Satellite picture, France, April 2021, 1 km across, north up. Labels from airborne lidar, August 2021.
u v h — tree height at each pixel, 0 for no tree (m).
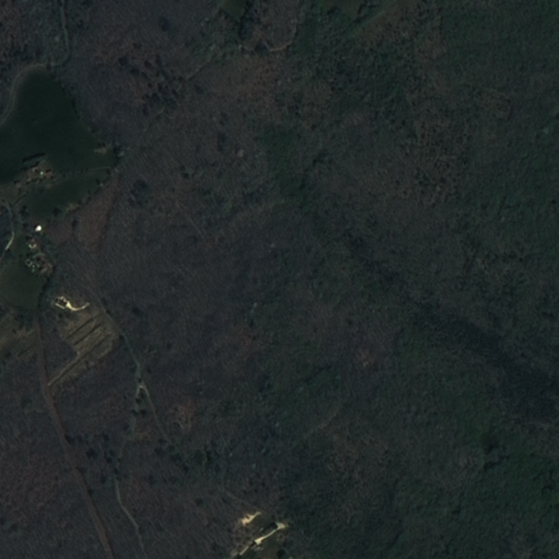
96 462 22
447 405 20
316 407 15
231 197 19
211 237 9
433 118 7
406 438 14
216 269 17
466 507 23
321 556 15
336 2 0
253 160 18
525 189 16
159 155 13
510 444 19
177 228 14
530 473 19
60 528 8
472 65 13
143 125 13
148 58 6
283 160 18
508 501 20
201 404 14
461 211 17
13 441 11
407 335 18
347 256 10
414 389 13
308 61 11
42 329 11
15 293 0
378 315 14
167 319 13
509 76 11
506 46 20
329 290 19
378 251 11
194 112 13
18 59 12
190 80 9
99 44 9
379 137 15
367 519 7
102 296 12
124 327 6
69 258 15
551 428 14
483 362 13
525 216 21
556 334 12
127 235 16
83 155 0
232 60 11
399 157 10
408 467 11
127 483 11
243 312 11
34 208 0
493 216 24
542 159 16
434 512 22
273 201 23
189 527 12
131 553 15
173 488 15
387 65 9
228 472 18
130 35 9
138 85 7
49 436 12
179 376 12
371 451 7
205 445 16
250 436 19
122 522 15
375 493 10
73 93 17
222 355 15
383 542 10
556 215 19
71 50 15
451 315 10
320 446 7
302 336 15
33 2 20
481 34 18
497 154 16
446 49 14
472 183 15
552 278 13
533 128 16
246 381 14
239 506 11
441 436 17
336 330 17
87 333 0
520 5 13
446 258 20
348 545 12
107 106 15
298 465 11
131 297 14
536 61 16
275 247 15
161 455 12
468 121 8
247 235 18
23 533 14
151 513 9
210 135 13
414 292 13
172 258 11
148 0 17
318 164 12
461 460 20
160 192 11
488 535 24
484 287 12
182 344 12
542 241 17
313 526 12
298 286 16
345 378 14
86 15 10
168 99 27
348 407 9
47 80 0
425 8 13
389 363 16
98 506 11
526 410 9
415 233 17
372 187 11
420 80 7
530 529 15
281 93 12
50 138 0
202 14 16
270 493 12
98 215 6
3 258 11
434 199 11
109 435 9
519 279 9
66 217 7
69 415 9
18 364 11
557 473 28
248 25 19
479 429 20
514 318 11
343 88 7
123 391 9
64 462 8
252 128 15
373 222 9
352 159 11
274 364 16
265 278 12
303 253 17
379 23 0
